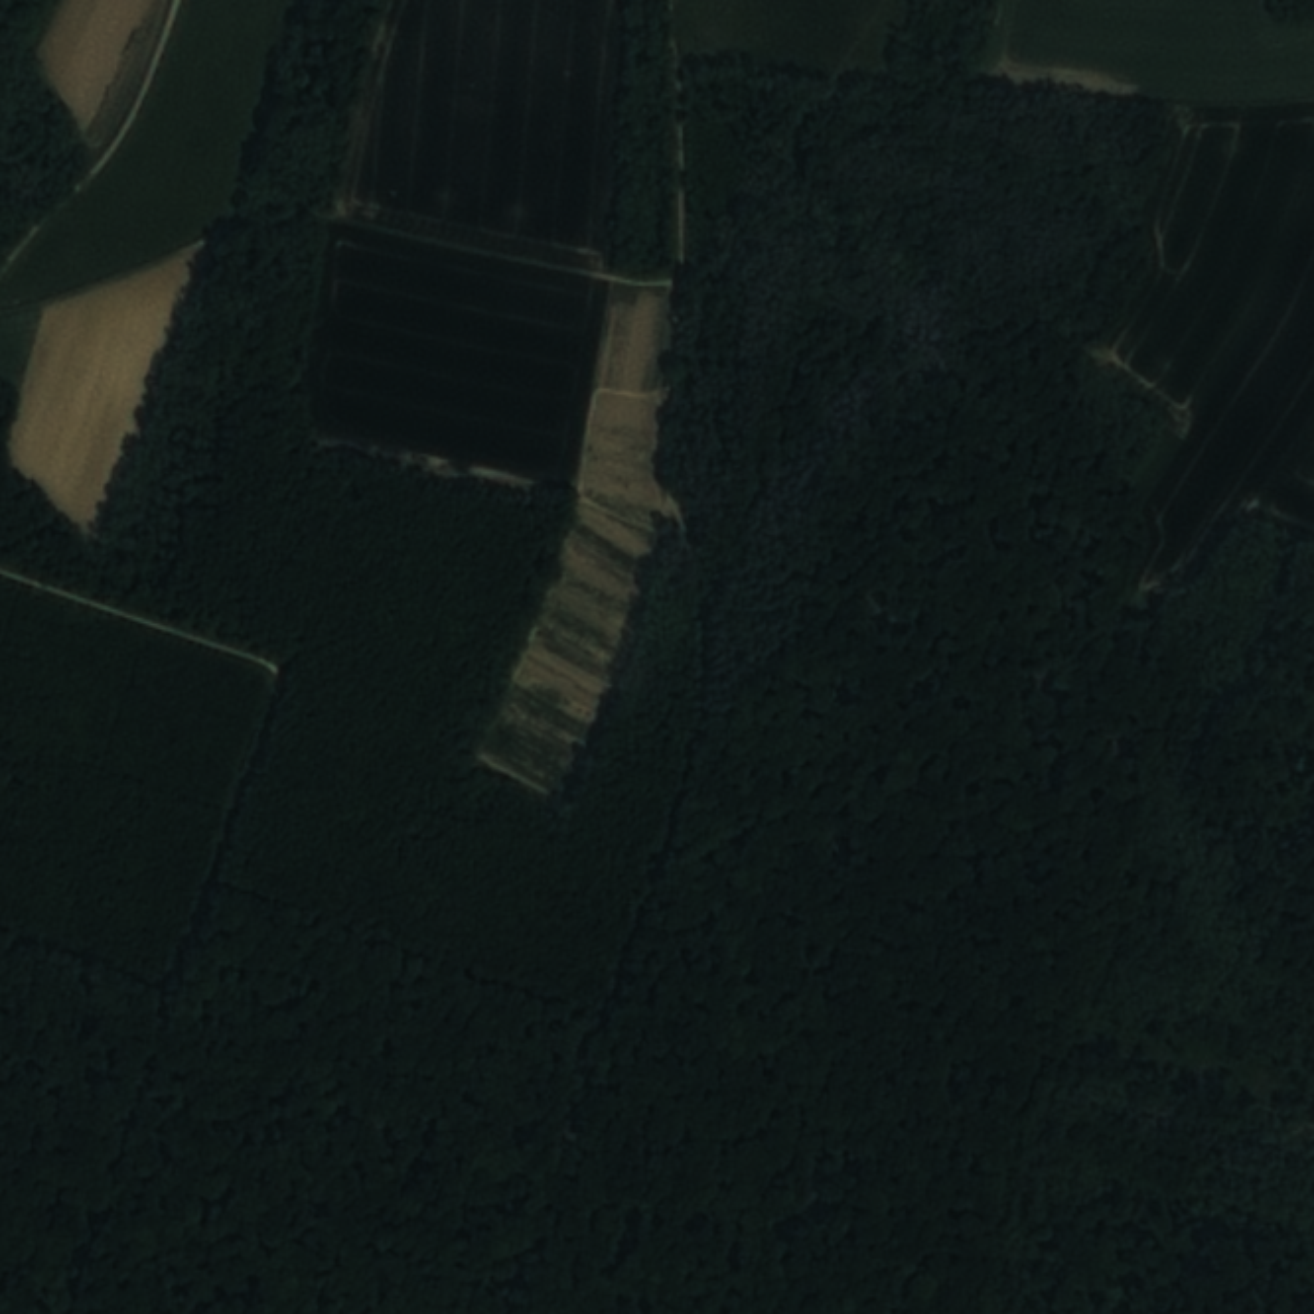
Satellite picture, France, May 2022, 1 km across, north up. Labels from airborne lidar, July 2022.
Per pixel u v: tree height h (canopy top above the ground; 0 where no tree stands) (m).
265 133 23
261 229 26
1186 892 29
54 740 12
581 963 22
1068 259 20
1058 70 0
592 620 0
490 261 0
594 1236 29
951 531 30
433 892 20
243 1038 32
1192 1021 28
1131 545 25
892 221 22
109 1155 27
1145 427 27
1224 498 0
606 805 22
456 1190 32
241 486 24
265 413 14
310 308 15
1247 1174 23
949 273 24
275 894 20
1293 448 0
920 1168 32
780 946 29
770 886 29
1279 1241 28
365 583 20
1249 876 28
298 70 22
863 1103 29
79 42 0
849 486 37
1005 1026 33
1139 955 19
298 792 21
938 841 28
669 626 29
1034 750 34
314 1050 31
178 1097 23
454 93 0
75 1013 29
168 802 11
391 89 0
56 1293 28
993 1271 26
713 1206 30
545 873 21
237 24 0
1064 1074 28
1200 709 19
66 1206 31
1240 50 0
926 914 30
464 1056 33
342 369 0
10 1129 33
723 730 27
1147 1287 27
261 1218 30
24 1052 31
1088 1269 31
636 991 31
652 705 23
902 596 32
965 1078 29
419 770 19
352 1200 32
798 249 25
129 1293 31
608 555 0
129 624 6
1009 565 32
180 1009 29
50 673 6
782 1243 29
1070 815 33
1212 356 0
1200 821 21
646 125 19
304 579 23
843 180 28
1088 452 31
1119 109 20
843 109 20
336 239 0
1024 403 32
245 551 23
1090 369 19
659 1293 30
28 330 0
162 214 0
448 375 0
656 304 0
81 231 0
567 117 0
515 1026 33
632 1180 35
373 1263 30
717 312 19
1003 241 24
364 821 19
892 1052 26
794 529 28
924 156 30
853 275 24
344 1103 29
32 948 27
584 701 0
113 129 0
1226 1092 36
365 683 19
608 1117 31
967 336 20
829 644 33
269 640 19
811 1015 29
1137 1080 32
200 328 26
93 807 11
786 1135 31
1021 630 33
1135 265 23
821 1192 32
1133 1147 26
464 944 22
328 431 0
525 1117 30
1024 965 30
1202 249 0
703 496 25
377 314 0
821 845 31
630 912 21
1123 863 32
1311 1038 19
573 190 0
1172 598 22
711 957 29
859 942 30
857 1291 33
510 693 21
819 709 32
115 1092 29
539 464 0
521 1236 31
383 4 18
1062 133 20
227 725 6
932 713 35
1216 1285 34
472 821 19
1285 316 0
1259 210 0
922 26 7
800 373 16
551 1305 31
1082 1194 15
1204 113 0
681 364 16
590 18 0
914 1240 31
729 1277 33
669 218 22
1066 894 31
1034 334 28
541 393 0
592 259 0
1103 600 30
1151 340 0
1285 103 0
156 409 24
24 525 23
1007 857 32
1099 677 37
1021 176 21
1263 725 33
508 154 0
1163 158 19
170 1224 28
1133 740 34
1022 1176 21
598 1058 31
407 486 21
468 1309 32
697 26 0
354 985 33
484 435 0
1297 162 0
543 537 19
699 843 31
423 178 0
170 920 10
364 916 22
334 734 20
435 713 19
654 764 20
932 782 32
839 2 0
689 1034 33
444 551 20
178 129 0
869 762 30
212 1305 33
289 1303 29
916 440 31
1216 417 0
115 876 13
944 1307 31
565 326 0
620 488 0
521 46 0
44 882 13
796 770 30
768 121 18
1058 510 32
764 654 29
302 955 26
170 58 0
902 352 30
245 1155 29
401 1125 32
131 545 26
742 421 30
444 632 18
